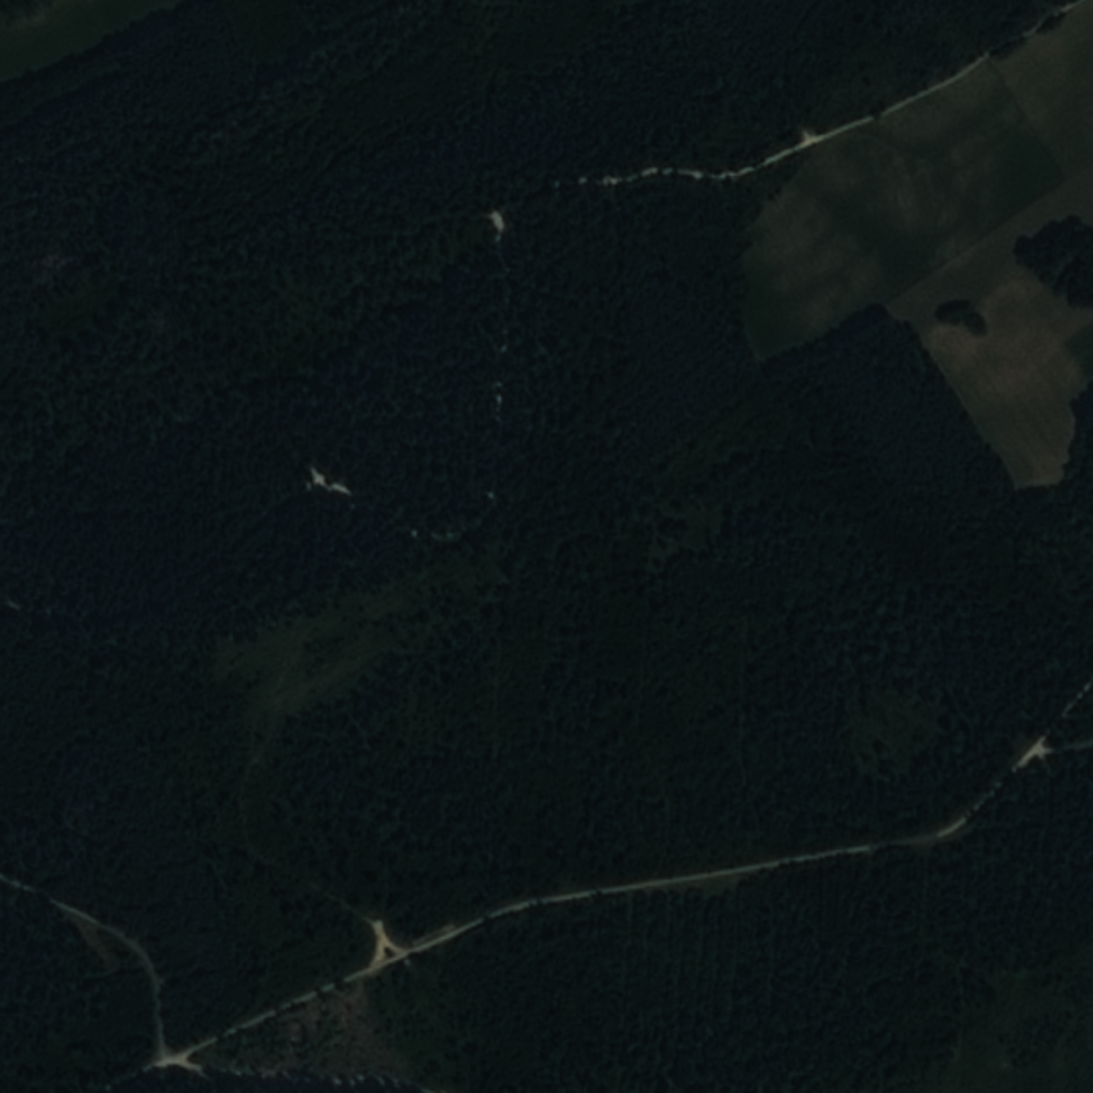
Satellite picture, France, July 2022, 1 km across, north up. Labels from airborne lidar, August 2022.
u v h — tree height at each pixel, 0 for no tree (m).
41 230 16
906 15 16
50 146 24
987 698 24
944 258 0
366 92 7
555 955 10
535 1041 7
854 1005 14
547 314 27
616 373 24
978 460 16
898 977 11
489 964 5
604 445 17
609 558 13
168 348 19
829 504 9
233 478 15
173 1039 11
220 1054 7
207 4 18
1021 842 14
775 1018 12
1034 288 0
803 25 11
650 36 22
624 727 8
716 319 13
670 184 11
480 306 30
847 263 0
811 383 10
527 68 10
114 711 12
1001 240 0
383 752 7
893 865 12
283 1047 13
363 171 6
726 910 8
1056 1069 0
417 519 23
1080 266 15
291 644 0
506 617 19
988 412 0
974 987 17
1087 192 0
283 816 13
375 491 23
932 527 12
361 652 0
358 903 16
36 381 23
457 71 8
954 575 15
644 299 23
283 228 21
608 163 22
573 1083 7
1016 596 6
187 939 9
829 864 9
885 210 0
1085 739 6
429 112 11
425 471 28
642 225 8
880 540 14
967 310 6
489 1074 10
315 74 18
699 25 15
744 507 10
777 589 11
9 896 25
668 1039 10
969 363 0
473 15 6
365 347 31
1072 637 20
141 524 27
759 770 11
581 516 18
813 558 12
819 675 16
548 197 22
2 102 17
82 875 13
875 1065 12
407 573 9
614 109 19
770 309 0
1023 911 17
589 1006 8
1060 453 0
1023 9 15
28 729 12
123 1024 8
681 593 10
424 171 22
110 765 18
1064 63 0
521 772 6
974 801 6
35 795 13
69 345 17
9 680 16
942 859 7
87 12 0
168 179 9
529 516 9
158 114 9
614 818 14
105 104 25
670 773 7
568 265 19
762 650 7
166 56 13
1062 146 0
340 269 7
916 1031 12
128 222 28
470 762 15
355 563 30
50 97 11
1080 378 0
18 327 26
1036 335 0
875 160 0
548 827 10
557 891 8
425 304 29
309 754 8
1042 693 18
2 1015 15
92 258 26
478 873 6
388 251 11
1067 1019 9
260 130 11
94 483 20
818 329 0
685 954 9
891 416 21
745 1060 8
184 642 21
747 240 6
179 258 9
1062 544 11
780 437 6
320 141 8
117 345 14
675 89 16
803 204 0
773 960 9
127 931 17
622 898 6
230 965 16
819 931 10
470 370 29
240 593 25
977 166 0
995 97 0
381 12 14
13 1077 13
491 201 11
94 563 25
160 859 17
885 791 15
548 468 13
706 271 11
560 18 11
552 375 28
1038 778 8
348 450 31
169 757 8
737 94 16
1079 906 16
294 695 0
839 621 15
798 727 16
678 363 16
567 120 14
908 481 17
